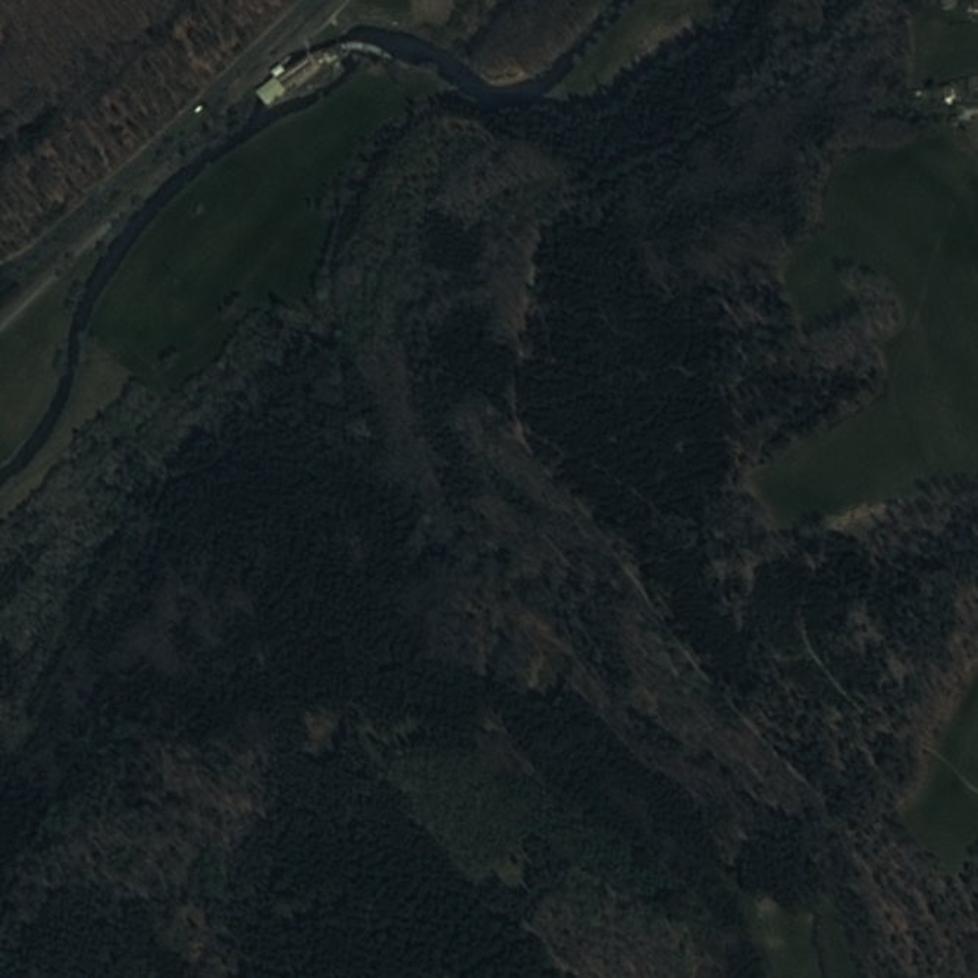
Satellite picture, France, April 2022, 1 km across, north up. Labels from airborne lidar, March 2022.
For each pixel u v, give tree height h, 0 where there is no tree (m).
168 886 18
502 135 19
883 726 25
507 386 10
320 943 30
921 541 26
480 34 0
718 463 14
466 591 30
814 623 8
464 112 19
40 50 33
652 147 28
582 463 11
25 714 19
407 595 20
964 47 0
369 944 29
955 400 0
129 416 16
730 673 6
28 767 18
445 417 26
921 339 0
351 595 22
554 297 10
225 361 9
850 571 13
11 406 0
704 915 13
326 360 32
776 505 0
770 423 26
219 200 0
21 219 29
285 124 0
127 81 30
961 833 0
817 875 34
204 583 16
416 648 26
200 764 17
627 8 15
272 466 26
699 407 13
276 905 24
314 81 0
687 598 7
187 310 0
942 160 0
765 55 16
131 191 0
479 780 18
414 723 24
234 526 19
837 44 25
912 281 0
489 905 24
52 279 0
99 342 10
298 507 23
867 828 27
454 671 22
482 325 15
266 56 0
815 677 7
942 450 0
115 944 23
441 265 14
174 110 27
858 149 23
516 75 26
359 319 24
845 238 0
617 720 25
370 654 29
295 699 22
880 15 24
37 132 18
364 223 18
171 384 0
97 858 26
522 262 26
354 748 26
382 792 24
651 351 10
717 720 25
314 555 22
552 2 26
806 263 0
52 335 0
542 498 25
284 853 23
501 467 23
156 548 18
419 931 32
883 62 26
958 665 21
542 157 25
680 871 20
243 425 26
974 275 0
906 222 0
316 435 30
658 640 26
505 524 26
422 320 26
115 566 28
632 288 12
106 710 15
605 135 28
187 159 17
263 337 8
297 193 0
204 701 21
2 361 0
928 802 0
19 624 15
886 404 0
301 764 24
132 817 21
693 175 22
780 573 9
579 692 19
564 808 19
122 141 32
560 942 27
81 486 13
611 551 24
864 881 27
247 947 23
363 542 23
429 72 19
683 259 18
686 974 28
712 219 22
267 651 22
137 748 15
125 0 26
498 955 29
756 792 27
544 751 23
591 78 0
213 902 22
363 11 0
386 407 29
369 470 19
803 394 8
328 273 19
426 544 29
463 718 27
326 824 26
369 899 30
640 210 21
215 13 25
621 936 26
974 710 0
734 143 21
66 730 18
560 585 32
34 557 13
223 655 17
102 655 17
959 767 0
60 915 22
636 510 9
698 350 13
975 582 27
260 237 0
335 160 0
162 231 0
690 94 20
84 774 15
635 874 15
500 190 22
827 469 0
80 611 25
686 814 26
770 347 26
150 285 0
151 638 12
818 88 30
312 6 0
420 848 24
